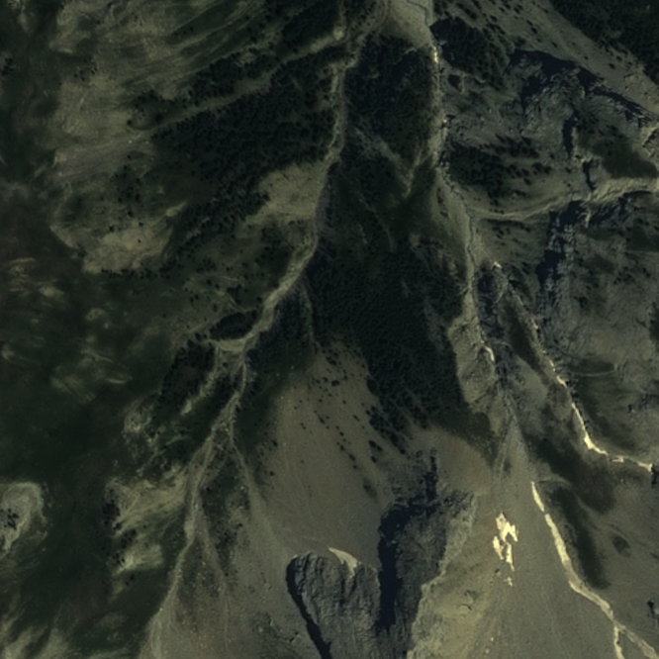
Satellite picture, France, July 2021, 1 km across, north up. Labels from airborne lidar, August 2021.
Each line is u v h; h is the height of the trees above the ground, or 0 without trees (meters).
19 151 0
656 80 17
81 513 0
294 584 0
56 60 0
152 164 0
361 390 0
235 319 20
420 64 8
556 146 0
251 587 0
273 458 0
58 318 0
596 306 0
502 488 0
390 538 0
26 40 0
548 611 0
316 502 0
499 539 0
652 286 0
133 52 0
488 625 0
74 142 0
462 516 0
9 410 0
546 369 0
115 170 0
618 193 0
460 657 0
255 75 12
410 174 0
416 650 0
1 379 0
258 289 0
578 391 0
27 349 0
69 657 0
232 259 0
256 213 14
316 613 0
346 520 0
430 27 0
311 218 0
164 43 0
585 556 0
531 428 0
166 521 0
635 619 0
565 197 0
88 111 0
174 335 0
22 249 0
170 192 0
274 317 0
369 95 11
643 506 0
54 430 0
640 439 0
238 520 0
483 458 0
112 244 0
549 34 0
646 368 0
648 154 0
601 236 0
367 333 6
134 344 0
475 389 0
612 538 0
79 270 0
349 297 11
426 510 0
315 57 11
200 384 9
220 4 0
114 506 7
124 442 0
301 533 0
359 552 0
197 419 0
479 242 0
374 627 0
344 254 0
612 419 0
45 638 0
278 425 0
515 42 0
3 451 0
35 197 0
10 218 0
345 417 0
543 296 0
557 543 0
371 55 9
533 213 0
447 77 0
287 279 0
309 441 0
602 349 0
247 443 0
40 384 0
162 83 0
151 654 0
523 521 0
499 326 0
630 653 0
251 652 0
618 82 0
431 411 10
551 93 0
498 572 0
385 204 0
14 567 0
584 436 0
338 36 0
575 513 0
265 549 0
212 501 0
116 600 0
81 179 0
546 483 0
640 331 0
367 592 0
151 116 0
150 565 0
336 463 0
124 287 0
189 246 8
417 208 0
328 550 0
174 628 0
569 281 0
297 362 0
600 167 0
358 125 9
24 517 0
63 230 0
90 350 0
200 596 0
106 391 0
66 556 0
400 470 0
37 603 0
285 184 0
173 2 0
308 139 13
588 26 18
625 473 0
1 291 0
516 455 0
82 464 0
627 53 8
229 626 0
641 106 0
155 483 0
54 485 0
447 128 0
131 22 0
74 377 0
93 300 0
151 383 0
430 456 0
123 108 0
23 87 0
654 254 0
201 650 0
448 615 0
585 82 0
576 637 0
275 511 0
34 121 0
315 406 0
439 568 0
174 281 0
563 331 0
